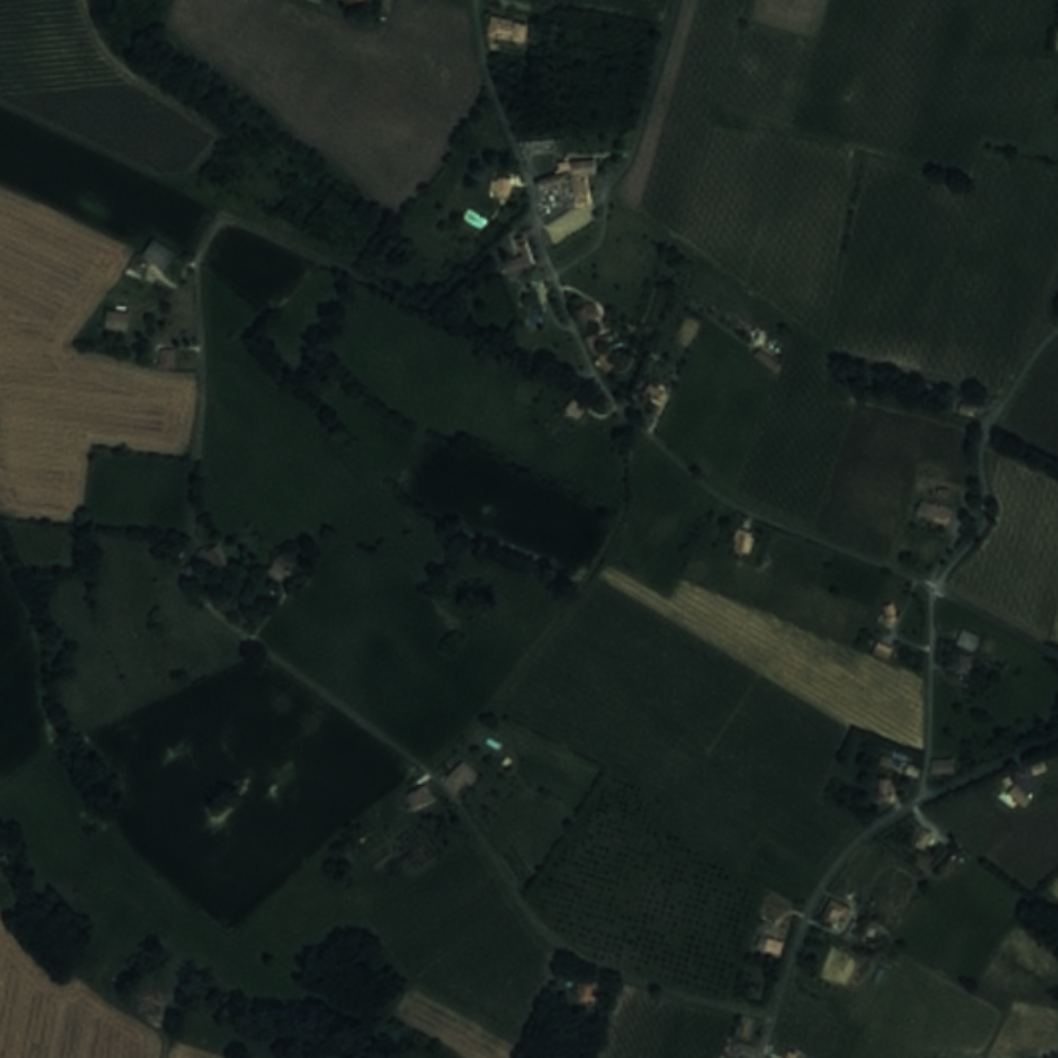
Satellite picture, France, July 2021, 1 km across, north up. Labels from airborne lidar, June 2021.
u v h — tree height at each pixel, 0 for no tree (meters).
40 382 0
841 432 0
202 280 0
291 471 0
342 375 8
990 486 0
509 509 0
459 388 0
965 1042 0
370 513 0
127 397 0
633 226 0
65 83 0
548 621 0
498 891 0
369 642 0
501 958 0
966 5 0
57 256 0
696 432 0
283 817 0
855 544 0
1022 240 0
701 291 0
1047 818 0
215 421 0
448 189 0
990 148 10
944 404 16
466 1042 0
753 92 0
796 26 0
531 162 0
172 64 19
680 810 0
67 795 0
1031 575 0
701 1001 0
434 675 0
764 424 0
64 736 22
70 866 0
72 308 0
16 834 18
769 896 0
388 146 0
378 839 0
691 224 0
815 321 0
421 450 0
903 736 0
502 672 0
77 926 20
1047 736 19
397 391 0
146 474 0
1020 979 0
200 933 0
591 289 0
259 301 0
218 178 6
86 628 0
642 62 6
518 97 12
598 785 7
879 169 0
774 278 0
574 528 0
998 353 0
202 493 8
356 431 0
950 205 0
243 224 0
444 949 0
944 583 0
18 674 0
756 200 0
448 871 0
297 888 0
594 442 0
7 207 0
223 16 0
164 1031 9
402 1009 0
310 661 0
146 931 0
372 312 0
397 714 0
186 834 0
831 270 0
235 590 15
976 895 0
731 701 0
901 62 0
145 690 0
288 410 0
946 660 6
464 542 32
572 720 0
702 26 0
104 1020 0
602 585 0
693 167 0
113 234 0
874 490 0
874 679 0
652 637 0
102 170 0
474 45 0
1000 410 0
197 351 0
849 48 0
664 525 0
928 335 0
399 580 0
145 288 0
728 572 0
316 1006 18
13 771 0
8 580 0
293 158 7
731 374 0
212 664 0
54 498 0
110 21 10
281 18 0
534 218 0
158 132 0
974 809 0
